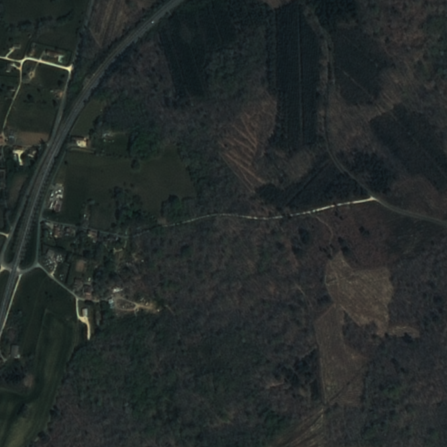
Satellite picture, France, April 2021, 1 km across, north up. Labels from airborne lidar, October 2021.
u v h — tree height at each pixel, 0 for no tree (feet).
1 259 0
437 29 101
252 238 56
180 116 52
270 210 46
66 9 0
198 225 32
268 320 35
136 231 47
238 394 56
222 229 61
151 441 72
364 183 39
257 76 51
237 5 72
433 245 51
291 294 31
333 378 0
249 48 57
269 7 46
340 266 0
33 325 0
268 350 51
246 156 52
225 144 31
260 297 86
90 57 61
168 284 63
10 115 0
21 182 0
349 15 89
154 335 62
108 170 0
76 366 65
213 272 40
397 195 0
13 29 54
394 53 52
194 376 27
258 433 48
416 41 19
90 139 21
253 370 62
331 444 29
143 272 25
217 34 46
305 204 37
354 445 55
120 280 54
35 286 0
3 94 22
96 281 54
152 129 76
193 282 35
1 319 0
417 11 21
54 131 0
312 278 35
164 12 0
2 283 0
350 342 33
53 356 0
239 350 46
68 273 21
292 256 43
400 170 57
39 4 0
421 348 43
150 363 68
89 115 0
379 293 0
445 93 24
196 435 67
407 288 27
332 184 28
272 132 45
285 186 82
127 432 57
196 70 48
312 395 20
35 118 0
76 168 0
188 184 0
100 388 61
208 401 71
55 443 22
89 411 29
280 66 43
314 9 73
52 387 0
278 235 62
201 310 49
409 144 36
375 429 60
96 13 65
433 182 35
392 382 44
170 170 0
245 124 34
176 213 47
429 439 56
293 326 73
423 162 29
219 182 42
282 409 54
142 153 59
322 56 49
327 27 82
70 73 0
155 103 41
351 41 39
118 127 53
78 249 23
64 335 0
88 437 58
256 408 34
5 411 0
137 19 19
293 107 44
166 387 52
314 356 45
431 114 59
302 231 49
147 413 75
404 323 25
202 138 57
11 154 29
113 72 35
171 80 26
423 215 0
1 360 27
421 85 85
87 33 35
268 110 39
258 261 85
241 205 34
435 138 38
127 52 32
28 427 0
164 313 29
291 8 34
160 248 43
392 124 39
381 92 44
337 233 23
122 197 63
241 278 46
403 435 23
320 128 72
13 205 0
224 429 50
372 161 52
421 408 42
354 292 0
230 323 53
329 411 50
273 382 59
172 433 63
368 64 39
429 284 36
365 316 0
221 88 72
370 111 75
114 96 62
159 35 44
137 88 39
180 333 33
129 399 76
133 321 40
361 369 22
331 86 69
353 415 53
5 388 32
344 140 78
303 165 81
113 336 44
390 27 43
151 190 0
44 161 0
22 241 0
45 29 67
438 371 37
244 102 63
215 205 44
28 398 0
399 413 62
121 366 71
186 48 51
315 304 36
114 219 0
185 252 66
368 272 0
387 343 65
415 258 33
